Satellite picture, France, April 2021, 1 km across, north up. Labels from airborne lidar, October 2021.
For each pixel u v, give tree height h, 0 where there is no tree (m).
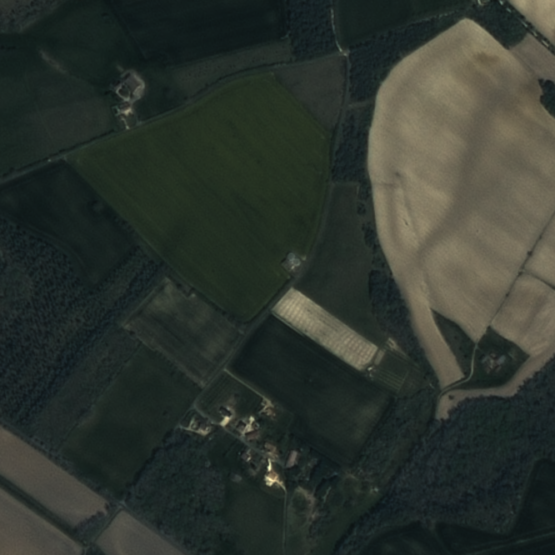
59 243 0
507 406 19
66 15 0
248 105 0
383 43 13
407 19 0
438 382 7
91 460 0
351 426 0
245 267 0
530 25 6
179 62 0
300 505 0
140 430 0
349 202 0
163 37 0
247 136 0
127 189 0
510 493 19
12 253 16
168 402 0
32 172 0
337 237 0
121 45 0
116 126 0
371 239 12
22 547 0
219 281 0
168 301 0
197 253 0
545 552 0
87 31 0
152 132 0
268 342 0
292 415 0
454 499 16
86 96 0
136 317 0
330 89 0
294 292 0
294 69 0
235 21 0
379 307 21
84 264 0
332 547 0
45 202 0
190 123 0
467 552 0
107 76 0
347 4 0
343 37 0
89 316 16
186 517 21
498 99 0
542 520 0
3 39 0
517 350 0
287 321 0
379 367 0
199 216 0
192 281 0
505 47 9
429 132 0
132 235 8
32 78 0
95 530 19
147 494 23
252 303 0
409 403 12
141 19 0
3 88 0
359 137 12
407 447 0
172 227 0
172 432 10
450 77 0
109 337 11
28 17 12
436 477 17
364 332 0
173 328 0
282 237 0
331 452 0
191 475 23
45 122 0
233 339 0
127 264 12
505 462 17
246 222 0
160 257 0
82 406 17
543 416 9
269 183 0
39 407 16
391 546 0
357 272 0
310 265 0
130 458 0
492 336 0
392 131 0
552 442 20
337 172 9
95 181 0
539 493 0
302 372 0
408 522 11
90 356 13
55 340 15
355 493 0
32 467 0
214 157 0
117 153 0
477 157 0
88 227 0
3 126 0
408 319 22
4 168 0
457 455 15
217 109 0
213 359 0
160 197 0
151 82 0
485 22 9
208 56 0
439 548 0
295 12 10
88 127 0
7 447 0
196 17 0
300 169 0
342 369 0
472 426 20
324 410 0
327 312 0
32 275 15
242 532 0
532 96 0
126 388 0
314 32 11
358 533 11
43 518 0
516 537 0
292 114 0
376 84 10
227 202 0
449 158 0
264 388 0
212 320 0
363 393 0
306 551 0
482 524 9
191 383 6
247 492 0
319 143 0
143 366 0
